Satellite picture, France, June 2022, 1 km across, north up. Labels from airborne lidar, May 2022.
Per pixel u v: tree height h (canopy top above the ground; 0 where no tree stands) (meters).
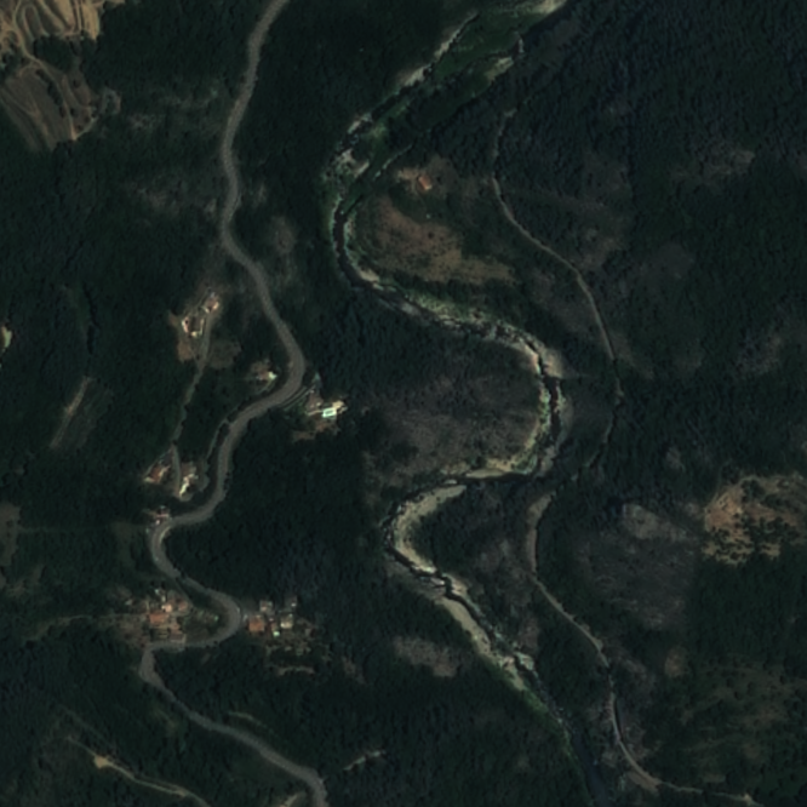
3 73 11
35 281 21
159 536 0
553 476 9
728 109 22
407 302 0
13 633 29
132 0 10
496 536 6
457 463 0
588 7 19
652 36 38
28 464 15
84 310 0
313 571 28
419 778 16
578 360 16
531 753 16
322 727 27
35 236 27
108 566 17
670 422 15
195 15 19
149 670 0
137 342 24
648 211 11
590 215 0
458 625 13
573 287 9
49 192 22
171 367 17
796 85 13
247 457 22
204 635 0
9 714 25
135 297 20
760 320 14
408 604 21
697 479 7
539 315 18
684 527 0
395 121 25
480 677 13
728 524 0
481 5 11
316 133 16
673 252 0
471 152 16
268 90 17
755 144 12
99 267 40
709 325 7
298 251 11
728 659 11
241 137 10
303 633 6
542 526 8
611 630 8
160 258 9
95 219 18
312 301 6
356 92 38
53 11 0
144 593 10
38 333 22
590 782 0
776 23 24
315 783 0
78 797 10
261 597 9
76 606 18
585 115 20
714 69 16
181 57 22
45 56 15
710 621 9
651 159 26
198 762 20
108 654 10
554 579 11
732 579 10
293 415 13
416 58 6
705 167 19
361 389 18
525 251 9
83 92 0
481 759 18
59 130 0
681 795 16
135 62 19
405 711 27
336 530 25
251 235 16
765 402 7
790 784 12
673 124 25
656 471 8
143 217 8
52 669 38
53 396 24
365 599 17
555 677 15
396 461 9
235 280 9
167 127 11
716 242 11
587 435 6
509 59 0
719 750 7
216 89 14
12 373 22
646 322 8
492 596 10
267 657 12
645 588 0
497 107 17
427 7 13
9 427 22
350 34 16
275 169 17
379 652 26
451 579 0
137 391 19
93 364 32
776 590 8
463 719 6
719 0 21
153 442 18
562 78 18
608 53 14
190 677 29
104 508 36
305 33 17
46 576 13
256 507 22
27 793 15
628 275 18
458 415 14
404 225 0
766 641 11
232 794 13
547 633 11
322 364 11
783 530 8
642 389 12
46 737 22
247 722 7
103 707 10
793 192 15
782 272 13
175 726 0
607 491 8
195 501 8
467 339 11
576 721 13
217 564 25
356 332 39
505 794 17
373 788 23
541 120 13
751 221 17
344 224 0
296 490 25
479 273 0
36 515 14
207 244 26
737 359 8
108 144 14
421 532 7
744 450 11
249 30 16
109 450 15
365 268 20
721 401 8
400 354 18
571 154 23
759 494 8
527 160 10
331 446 16
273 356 14
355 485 21
